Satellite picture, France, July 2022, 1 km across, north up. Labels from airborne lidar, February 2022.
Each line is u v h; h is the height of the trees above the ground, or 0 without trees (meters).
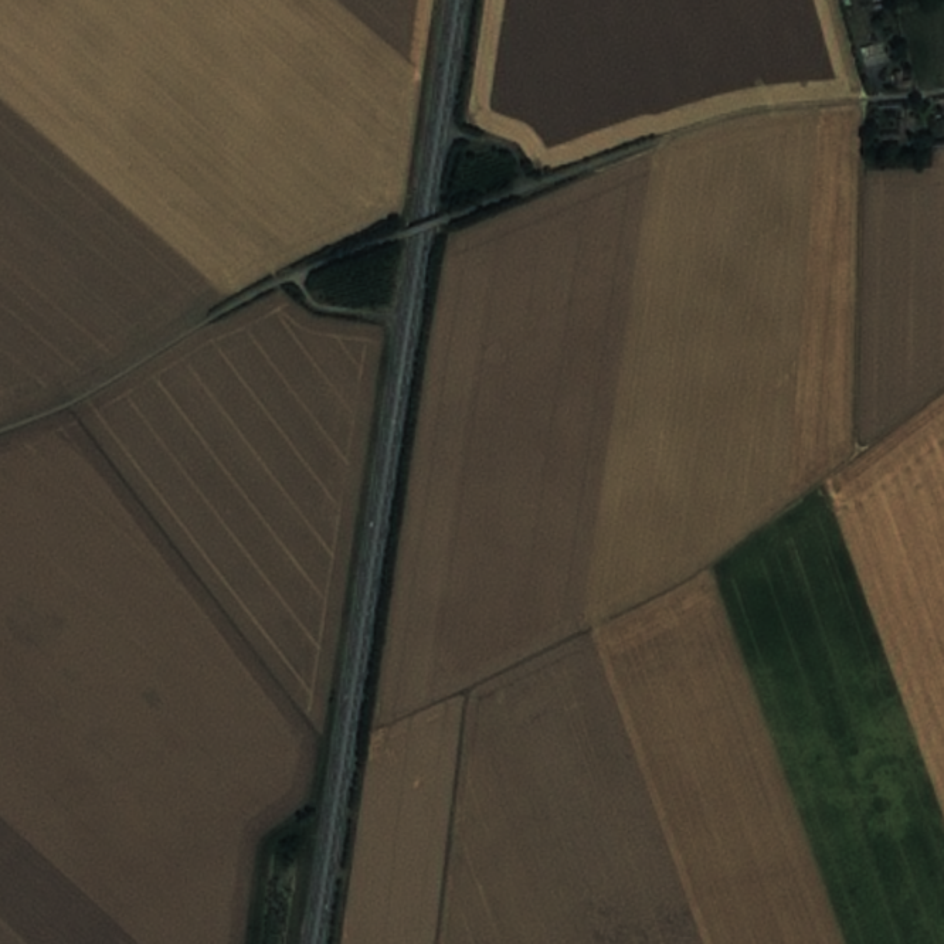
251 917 0
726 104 0
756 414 0
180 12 0
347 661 0
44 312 0
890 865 0
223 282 0
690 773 0
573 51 0
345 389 0
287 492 0
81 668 0
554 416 0
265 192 0
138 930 0
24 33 0
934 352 0
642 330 0
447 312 0
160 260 0
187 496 0
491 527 0
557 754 0
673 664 0
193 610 0
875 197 0
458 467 0
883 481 0
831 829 0
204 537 0
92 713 0
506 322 0
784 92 0
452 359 0
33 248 0
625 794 0
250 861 0
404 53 0
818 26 0
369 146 0
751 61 0
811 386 0
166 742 0
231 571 0
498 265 0
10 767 0
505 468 0
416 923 0
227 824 0
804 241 0
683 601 0
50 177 0
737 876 0
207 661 0
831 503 0
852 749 0
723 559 0
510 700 0
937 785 0
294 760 0
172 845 0
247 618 0
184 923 0
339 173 0
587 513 0
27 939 0
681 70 0
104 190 0
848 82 0
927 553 0
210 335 0
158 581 0
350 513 0
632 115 0
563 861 0
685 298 0
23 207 0
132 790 0
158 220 0
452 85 0
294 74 0
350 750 0
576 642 0
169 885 0
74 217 0
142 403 0
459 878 0
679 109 0
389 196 0
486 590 0
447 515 0
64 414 0
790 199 0
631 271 0
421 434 0
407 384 0
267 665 0
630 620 0
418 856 0
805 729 0
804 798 0
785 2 0
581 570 0
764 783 0
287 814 0
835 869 0
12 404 0
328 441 0
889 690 0
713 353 0
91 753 0
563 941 0
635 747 0
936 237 0
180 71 0
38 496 0
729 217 0
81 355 0
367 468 0
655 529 0
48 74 0
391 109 0
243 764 0
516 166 8
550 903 0
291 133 0
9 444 0
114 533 0
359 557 0
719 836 0
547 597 0
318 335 0
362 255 11
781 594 0
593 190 0
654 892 0
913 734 0
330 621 0
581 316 0
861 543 0
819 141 0
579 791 0
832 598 0
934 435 0
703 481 0
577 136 0
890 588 0
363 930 0
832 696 0
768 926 0
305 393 0
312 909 0
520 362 0
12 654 0
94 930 0
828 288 0
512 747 0
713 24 0
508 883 0
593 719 0
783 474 0
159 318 0
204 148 0
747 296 0
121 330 0
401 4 0
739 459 0
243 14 0
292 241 0
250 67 0
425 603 0
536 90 0
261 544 0
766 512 0
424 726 0
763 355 0
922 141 15
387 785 0
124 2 0
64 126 0
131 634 0
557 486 0
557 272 0
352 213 0
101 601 0
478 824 0
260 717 0
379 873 0
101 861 0
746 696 0
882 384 0
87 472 0
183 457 0
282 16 0
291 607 0
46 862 0
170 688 0
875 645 0
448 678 0
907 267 0
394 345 0
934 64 0
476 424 0
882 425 0
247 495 0
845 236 0
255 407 0
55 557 0
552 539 0
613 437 0
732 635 0
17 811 0
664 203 0
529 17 0
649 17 0
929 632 0
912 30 0
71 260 0
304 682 0
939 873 0
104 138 0
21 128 0
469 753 0
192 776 0
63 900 0
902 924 0
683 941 0
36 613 0
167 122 0
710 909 0
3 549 0
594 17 0
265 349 0
